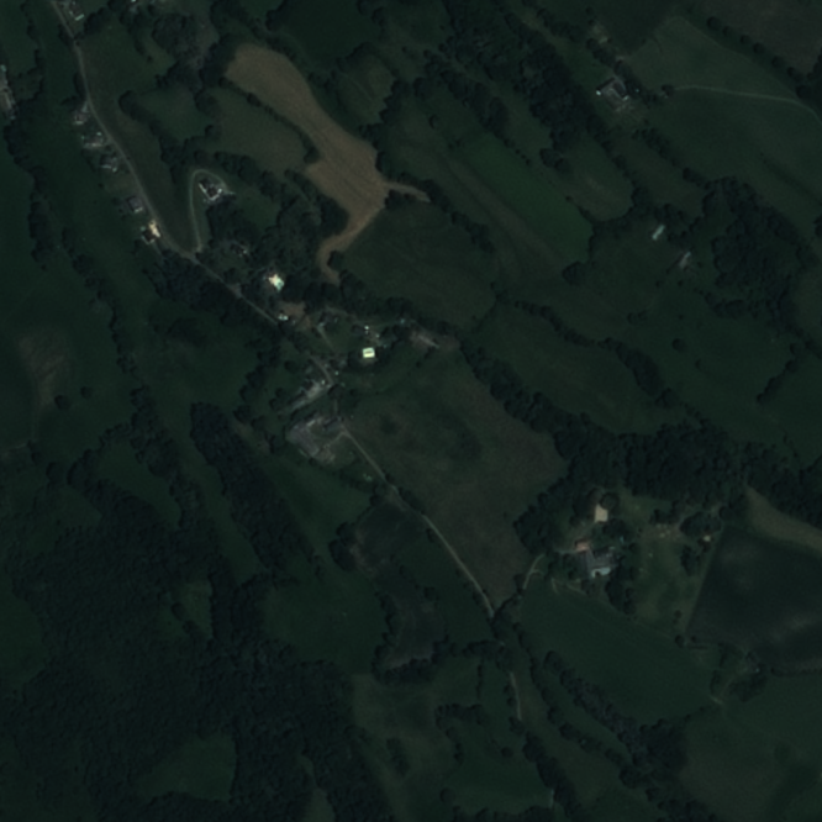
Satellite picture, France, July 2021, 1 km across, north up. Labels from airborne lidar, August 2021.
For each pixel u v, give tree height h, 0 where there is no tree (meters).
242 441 22
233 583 13
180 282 26
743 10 0
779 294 12
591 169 0
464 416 0
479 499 0
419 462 0
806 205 0
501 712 0
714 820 16
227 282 9
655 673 0
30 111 21
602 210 0
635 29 0
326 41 0
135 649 12
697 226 15
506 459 0
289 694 24
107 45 0
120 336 17
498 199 0
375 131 24
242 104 0
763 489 17
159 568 23
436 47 0
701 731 0
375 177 0
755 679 6
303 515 0
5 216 0
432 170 0
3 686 17
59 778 10
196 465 0
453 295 0
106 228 0
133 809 22
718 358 0
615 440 15
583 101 22
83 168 0
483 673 11
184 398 0
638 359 22
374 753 0
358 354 14
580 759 0
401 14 0
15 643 0
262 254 17
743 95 0
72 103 12
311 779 15
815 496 20
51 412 0
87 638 10
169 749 13
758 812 0
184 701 12
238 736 17
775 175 0
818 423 0
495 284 11
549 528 13
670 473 22
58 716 9
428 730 0
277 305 10
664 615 0
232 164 24
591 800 0
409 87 19
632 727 21
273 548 27
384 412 0
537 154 0
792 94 0
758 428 0
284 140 0
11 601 0
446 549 6
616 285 0
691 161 0
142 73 0
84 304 0
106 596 13
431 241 0
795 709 0
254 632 19
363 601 0
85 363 0
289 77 0
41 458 18
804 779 0
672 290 0
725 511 13
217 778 0
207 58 15
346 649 0
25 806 0
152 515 23
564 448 27
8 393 0
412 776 0
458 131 0
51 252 14
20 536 9
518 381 23
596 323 0
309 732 25
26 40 0
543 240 0
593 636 0
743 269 15
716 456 26
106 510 19
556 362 0
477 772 0
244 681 27
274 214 0
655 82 0
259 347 11
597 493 14
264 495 17
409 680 19
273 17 20
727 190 20
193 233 0
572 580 9
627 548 9
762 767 0
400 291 0
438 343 9
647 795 0
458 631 0
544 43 20
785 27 0
